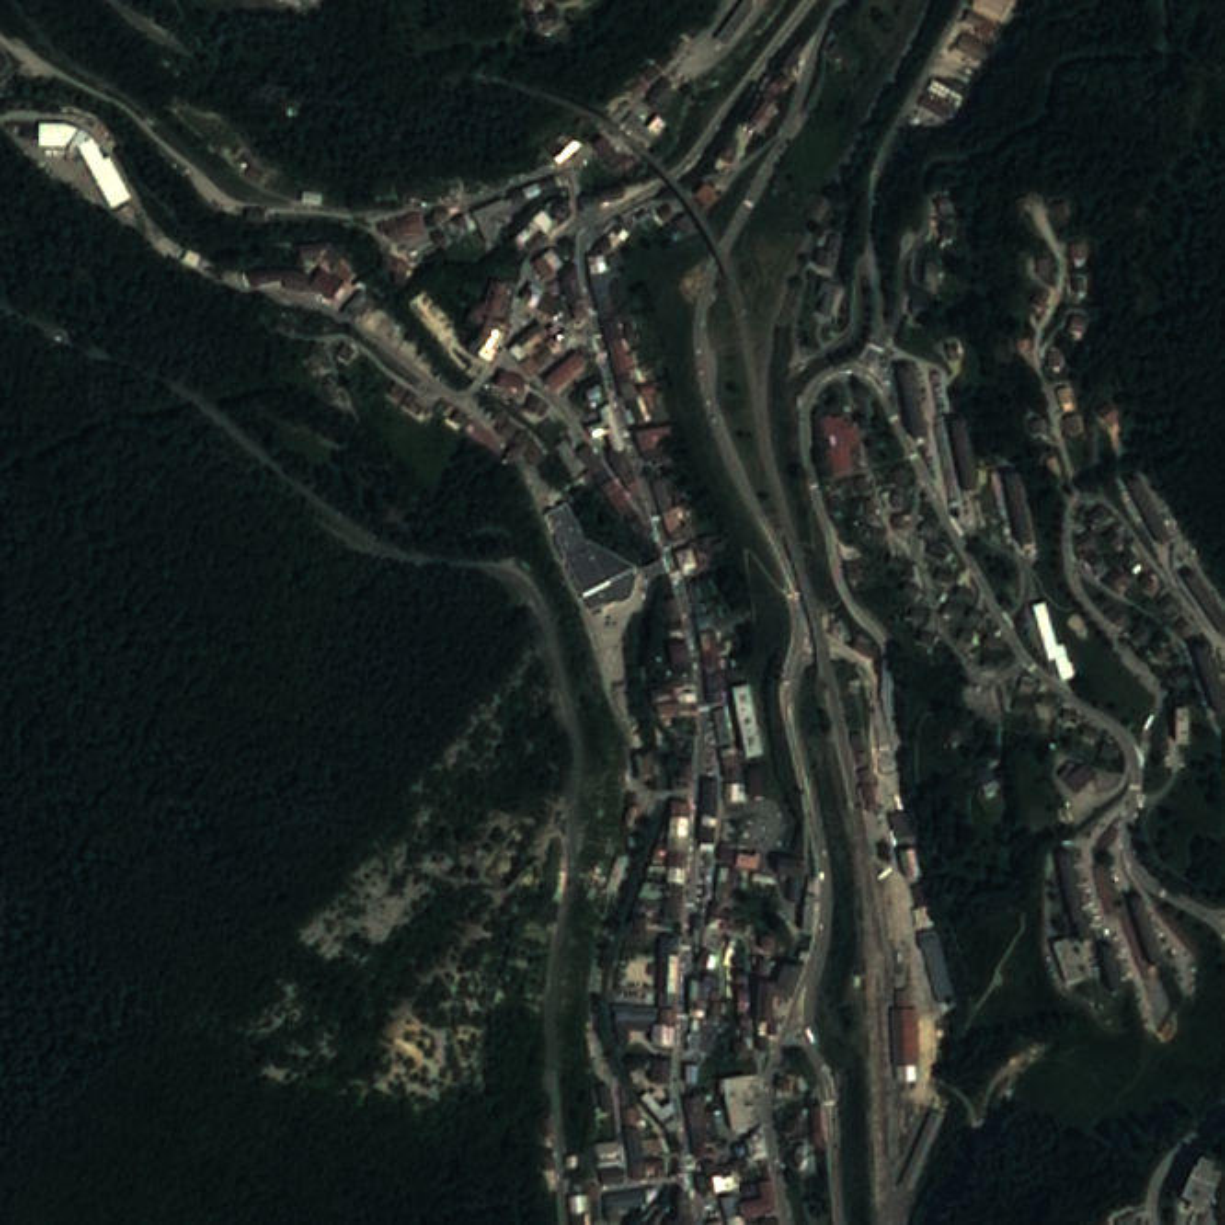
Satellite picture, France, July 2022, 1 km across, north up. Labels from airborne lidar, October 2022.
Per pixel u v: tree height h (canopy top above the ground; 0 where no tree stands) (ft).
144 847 83
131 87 38
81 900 105
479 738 40
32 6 71
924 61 27
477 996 26
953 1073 70
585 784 0
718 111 0
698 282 0
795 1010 0
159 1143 76
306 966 44
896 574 28
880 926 0
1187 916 29
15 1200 63
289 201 0
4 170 86
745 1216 0
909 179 56
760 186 0
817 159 0
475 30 85
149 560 99
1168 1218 28
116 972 75
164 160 22
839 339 0
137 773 83
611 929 58
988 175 69
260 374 68
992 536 0
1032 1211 41
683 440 20
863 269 0
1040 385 33
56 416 91
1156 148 75
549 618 0
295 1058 48
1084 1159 103
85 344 83
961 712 48
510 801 39
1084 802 0
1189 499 89
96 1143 76
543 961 48
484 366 0
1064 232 21
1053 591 0
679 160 0
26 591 79
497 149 68
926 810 60
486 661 64
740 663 45
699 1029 0
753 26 0
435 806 50
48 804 49
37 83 24
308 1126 69
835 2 0
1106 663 0
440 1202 86
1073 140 94
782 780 21
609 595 0
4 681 108
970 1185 59
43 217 67
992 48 26
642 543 17
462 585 101
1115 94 64
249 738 66
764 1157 0
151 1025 52
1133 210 91
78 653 98
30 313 84
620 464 0
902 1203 0
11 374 110
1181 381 97
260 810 75
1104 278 75
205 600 93
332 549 73
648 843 64
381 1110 55
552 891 31
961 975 27
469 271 45
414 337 26
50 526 103
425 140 95
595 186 23
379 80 73
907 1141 0
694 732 19
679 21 66
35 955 63
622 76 51
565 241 31
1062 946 0
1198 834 0
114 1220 71
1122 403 56
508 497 31
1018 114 71
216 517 99
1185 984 0
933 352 0
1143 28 68
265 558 94
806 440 0
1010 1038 79
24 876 100
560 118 74
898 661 74
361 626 83
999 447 74
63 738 88
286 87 90
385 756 51
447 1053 23
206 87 24
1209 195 73
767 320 0
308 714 77
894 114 25
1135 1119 0
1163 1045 0
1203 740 65
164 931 71
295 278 0
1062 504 23
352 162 53
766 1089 0
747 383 0
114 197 0
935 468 0
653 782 30
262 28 77
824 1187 25
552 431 0
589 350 0
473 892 55
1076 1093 0
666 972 0
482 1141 75
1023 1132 78
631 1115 0
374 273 22
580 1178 41
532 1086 38
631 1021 0
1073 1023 65
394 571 70
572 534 0
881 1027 0
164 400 77
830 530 0
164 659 108
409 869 35
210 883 102
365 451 67
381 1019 52
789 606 0
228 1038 64
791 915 0
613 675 0
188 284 86
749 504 0
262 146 35
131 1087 86
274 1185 79
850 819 0
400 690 95
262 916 69
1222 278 87
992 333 68
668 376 24
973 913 78
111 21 67
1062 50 55
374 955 35
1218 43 105
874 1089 0
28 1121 87
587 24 38
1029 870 79
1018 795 30
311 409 70
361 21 42
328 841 81
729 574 58
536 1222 93
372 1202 104
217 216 22
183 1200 71
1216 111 27
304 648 75
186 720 93
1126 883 0
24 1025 51
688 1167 0
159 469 107
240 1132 55
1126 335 72
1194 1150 32
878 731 0
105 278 84
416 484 28
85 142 0
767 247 0
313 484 75
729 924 0
